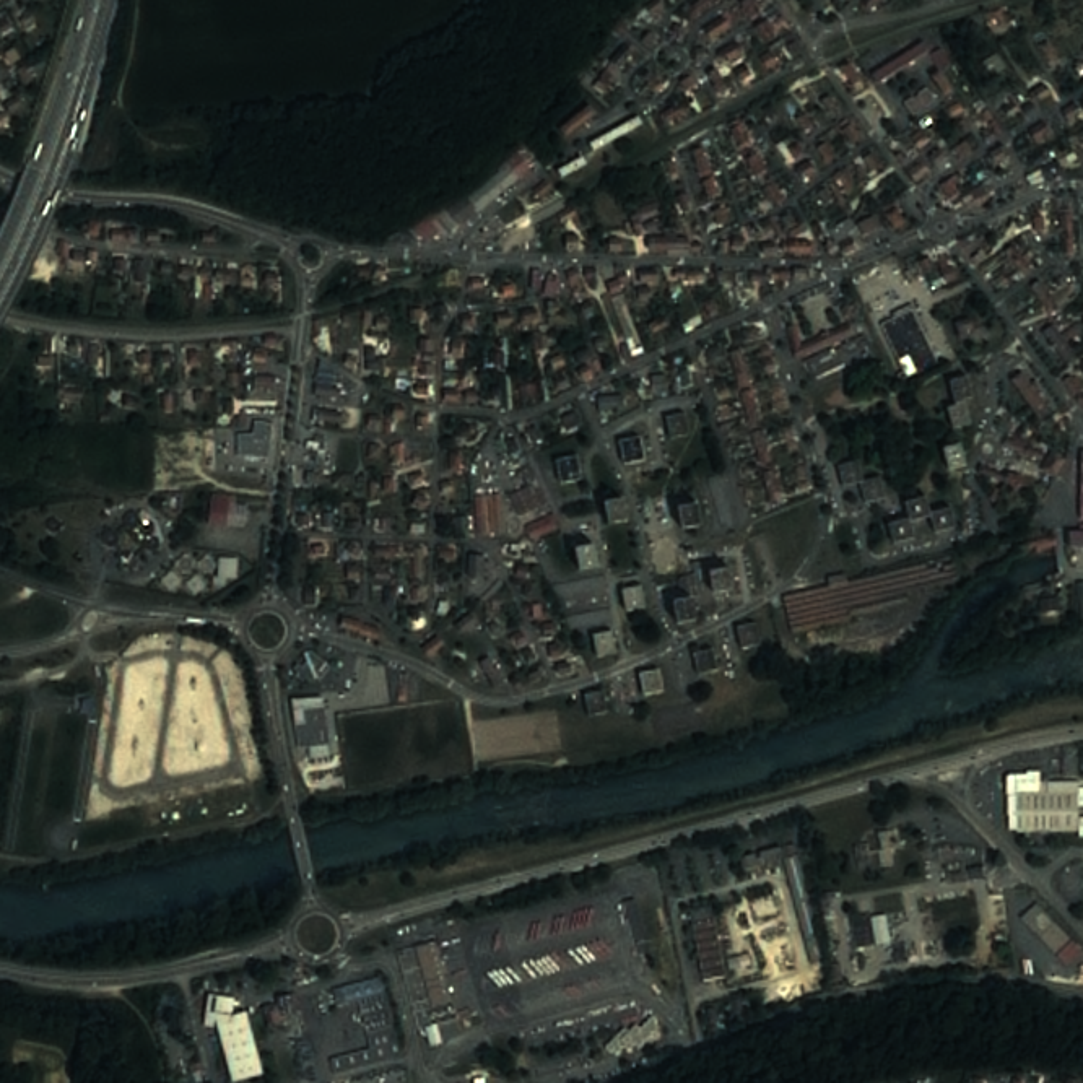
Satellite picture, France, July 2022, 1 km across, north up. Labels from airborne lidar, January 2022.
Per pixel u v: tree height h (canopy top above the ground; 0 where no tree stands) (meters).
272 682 0
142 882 0
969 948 21
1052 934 0
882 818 13
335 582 0
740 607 0
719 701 0
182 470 0
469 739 0
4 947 12
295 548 13
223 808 0
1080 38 0
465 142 24
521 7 25
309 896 0
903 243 0
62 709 0
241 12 0
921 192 0
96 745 0
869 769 0
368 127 24
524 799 0
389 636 0
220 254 0
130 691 0
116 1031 20
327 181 23
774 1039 25
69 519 0
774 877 0
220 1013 0
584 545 0
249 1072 0
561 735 0
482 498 0
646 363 0
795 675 24
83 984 0
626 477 0
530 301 0
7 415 0
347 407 0
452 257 0
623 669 0
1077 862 0
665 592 0
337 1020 0
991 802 0
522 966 0
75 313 14
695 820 0
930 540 0
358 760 0
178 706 0
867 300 0
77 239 0
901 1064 16
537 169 0
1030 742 0
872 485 0
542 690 0
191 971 0
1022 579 0
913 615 0
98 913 0
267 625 0
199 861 0
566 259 0
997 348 0
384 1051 0
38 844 0
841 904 0
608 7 26
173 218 18
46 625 0
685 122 0
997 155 0
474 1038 0
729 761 0
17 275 0
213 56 0
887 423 23
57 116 0
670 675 0
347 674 0
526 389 0
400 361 0
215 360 0
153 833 0
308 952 0
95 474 0
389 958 0
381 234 15
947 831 0
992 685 0
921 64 0
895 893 0
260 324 0
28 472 0
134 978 0
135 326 0
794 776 8
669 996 0
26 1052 0
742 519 0
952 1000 25
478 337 8
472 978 0
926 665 0
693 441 0
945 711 0
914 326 0
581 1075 0
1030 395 0
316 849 0
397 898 0
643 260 0
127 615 0
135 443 0
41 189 0
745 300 0
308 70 0
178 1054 0
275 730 0
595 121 0
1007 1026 25
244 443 0
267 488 0
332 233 17
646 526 0
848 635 0
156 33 0
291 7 0
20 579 0
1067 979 0
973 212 0
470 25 17
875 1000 9
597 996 0
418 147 23
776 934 0
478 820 0
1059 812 0
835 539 0
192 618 0
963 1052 16
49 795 0
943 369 12
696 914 0
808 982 0
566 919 0
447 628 0
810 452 0
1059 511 0
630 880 0
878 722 0
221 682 0
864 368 19
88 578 0
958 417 0
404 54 16
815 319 0
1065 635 12
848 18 0
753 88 0
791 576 0
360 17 0
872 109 0
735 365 0
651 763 14
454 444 10
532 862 0
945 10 0
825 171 0
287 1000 0
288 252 0
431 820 0
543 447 0
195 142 0
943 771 0
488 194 0
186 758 0
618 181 15
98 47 0
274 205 15
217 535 0
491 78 27
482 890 0
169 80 0
